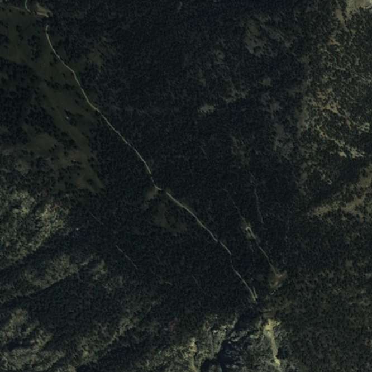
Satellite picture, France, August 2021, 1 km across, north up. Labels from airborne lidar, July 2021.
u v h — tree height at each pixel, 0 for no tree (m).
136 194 10
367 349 10
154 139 12
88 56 6
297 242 10
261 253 8
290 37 14
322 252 17
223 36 13
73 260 7
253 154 8
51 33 8
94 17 10
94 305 14
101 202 11
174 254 10
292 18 9
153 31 10
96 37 16
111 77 6
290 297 15
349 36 16
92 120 0
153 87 8
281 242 9
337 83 7
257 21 13
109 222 9
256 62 16
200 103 17
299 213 11
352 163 15
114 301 17
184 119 13
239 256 16
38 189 7
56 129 20
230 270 10
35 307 16
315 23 9
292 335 12
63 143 14
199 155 16
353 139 11
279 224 9
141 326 11
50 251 10
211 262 7
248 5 12
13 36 0
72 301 18
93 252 10
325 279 11
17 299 16
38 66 0
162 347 11
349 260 10
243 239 14
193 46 10
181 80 15
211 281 10
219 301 6
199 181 7
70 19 7
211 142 6
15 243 8
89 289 13
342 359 15
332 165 9
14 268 9
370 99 9
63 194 14
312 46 14
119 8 11
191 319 16
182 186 7
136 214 13
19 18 0
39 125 10
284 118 13
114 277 7
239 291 13
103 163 12
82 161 0
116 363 10
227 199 8
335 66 11
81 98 14
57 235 9
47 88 0
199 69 8
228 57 10
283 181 8
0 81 0
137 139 15
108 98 7
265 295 7
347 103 10
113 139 11
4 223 7
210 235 9
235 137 10
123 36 8
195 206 7
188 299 9
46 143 0
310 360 9
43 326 8
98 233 9
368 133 7
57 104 0
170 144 7
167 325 12
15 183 14
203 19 14
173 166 8
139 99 6
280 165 7
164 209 0
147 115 8
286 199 8
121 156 11
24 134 17
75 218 8
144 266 13
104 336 6
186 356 7
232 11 15
